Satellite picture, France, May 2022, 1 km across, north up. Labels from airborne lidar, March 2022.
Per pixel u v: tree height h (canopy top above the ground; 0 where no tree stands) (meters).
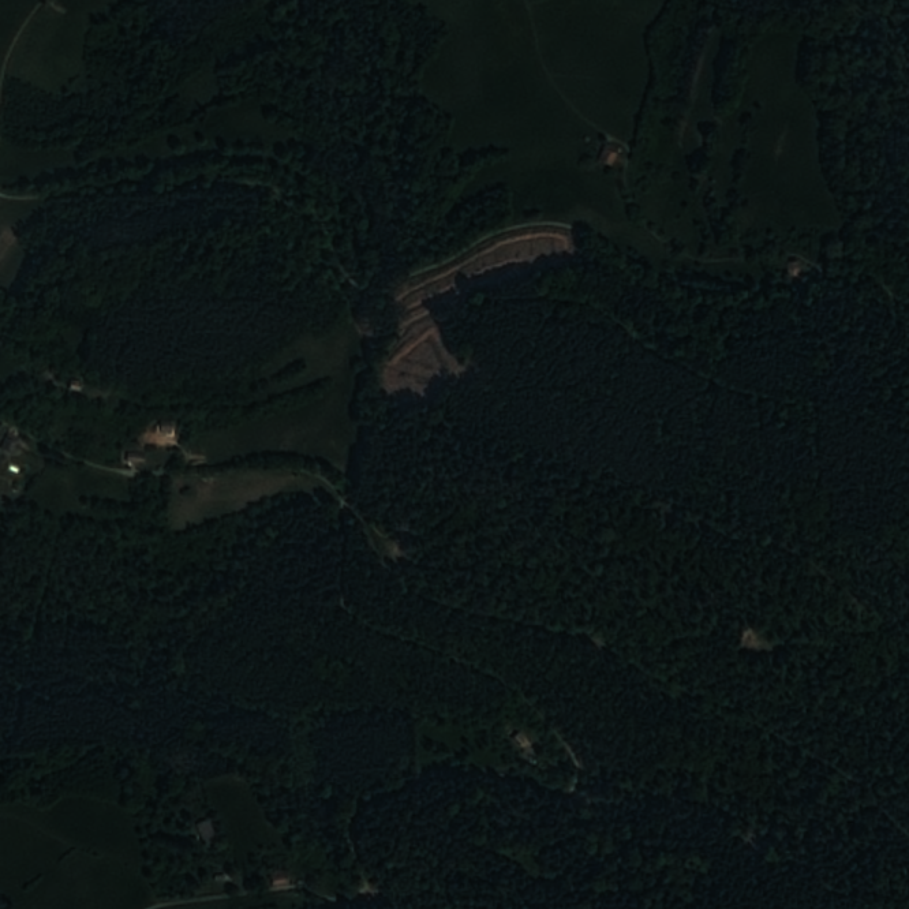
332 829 32
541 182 0
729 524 26
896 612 25
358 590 20
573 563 26
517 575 15
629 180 0
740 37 18
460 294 0
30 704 32
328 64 25
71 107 7
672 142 0
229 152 9
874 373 25
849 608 7
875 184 32
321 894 10
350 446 0
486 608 23
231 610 22
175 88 7
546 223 0
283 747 33
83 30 0
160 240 29
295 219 16
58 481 0
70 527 14
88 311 20
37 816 0
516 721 8
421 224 29
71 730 24
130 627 22
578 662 18
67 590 22
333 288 20
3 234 0
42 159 0
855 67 38
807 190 0
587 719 21
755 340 20
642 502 17
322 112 21
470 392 24
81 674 25
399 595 22
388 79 28
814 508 22
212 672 23
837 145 25
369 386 22
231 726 34
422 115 31
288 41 26
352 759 30
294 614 19
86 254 28
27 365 12
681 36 16
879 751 19
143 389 14
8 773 22
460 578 16
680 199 0
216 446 0
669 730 20
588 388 19
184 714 25
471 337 26
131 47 12
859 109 29
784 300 19
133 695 28
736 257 14
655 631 14
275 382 10
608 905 29
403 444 25
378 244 32
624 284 17
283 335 19
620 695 21
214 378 24
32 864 0
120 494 0
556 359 20
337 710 18
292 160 18
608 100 0
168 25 28
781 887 25
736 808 20
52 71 0
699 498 18
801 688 11
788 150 0
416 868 23
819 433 23
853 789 24
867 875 29
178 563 11
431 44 15
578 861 33
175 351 19
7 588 27
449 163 26
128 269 28
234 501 0
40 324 21
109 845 0
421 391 0
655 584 15
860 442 24
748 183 0
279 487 0
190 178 13
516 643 22
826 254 12
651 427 21
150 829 12
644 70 0
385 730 31
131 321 21
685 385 20
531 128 0
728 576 14
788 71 0
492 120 0
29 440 21
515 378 21
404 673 16
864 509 22
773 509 19
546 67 0
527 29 0
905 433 21
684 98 29
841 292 23
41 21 0
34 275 22
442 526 16
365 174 24
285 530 28
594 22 0
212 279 24
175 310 26
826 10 26
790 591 9
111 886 0
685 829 32
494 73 0
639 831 30
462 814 32
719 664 19
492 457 12
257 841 0
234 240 25
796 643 7
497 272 0
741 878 30
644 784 17
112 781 7
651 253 0
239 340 21
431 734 0
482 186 0
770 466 19
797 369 23
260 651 19
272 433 0
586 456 18
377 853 16
